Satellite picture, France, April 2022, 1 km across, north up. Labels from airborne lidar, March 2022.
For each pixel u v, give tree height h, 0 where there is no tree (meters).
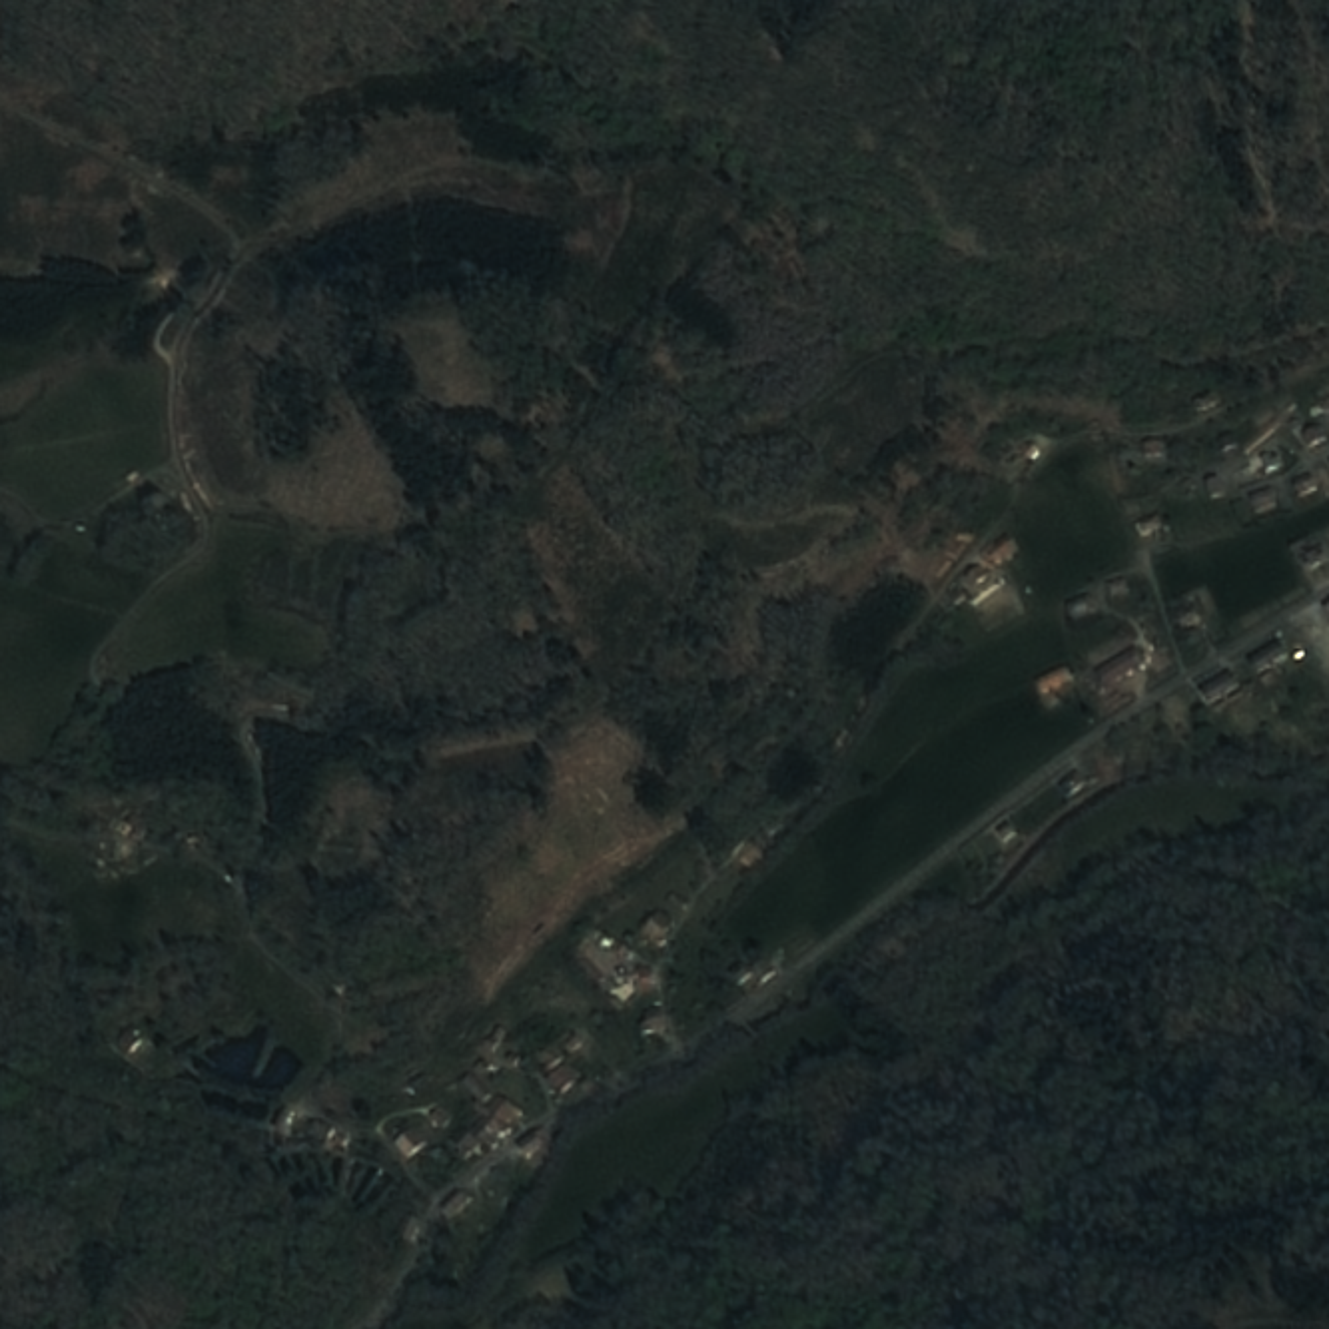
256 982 0
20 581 20
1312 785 22
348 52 25
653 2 23
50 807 30
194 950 20
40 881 26
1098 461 0
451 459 19
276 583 0
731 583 29
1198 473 9
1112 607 0
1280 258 19
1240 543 0
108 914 0
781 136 21
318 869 0
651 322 26
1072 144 21
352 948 23
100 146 0
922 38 16
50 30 30
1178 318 17
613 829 0
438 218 8
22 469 0
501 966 0
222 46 22
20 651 0
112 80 27
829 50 18
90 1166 23
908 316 25
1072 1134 24
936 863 0
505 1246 17
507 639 23
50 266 14
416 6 21
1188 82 25
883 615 9
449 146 0
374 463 0
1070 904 19
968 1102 23
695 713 9
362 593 16
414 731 14
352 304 27
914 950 13
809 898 0
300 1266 27
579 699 26
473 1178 0
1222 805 0
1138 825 0
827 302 10
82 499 0
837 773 16
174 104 25
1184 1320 27
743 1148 7
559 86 26
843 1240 22
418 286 8
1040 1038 32
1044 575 0
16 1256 23
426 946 14
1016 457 7
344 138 22
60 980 26
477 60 14
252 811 14
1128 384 22
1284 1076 27
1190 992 14
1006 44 24
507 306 23
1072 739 0
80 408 0
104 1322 21
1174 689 0
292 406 10
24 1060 21
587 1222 0
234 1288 22
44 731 0
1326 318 10
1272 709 0
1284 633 0
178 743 23
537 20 26
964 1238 29
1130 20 27
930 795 0
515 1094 0
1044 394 21
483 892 0
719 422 24
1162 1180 10
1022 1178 29
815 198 19
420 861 13
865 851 0
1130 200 24
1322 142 7
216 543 0
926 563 16
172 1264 20
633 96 24
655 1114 0
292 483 0
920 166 19
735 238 14
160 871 0
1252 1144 8
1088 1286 27
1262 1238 22
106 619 0
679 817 0
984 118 17
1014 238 18
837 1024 0
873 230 20
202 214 0
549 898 0
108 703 13
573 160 7
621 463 27
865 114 19
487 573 16
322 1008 0
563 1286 0
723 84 21
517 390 15
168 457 0
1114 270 22
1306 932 32
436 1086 0
